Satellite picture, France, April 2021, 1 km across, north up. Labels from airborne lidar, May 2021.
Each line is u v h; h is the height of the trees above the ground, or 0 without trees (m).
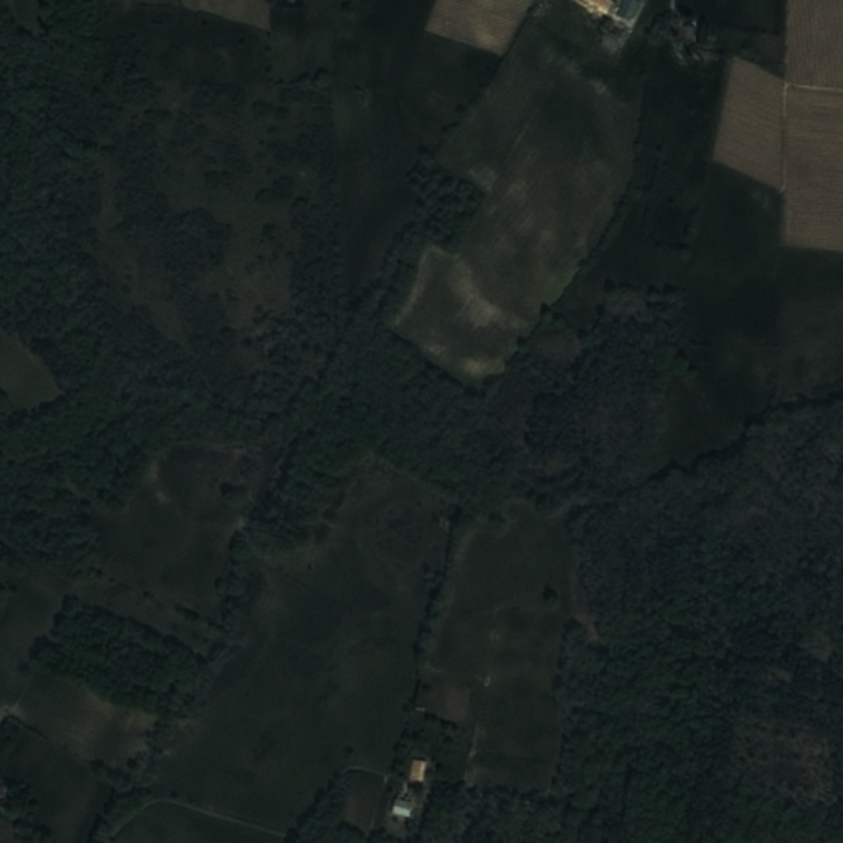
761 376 0
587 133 0
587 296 0
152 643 24
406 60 0
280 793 0
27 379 0
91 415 20
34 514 20
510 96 0
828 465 18
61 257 19
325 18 0
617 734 27
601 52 0
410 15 0
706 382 0
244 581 11
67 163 16
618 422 11
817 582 22
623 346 23
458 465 20
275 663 0
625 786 11
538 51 0
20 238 25
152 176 6
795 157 0
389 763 0
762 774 9
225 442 16
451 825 14
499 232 0
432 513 0
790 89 0
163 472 0
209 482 0
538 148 0
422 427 20
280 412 7
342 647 0
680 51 0
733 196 0
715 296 0
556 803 10
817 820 18
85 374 24
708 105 0
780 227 0
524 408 10
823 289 0
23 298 19
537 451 20
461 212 10
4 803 8
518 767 0
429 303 0
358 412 25
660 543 18
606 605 25
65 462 24
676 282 0
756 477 17
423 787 10
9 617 0
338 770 0
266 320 11
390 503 0
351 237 0
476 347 0
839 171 0
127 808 20
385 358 19
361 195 0
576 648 21
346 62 0
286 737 0
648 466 16
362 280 0
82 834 0
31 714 0
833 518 17
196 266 7
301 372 10
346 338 18
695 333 0
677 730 24
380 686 0
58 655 18
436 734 0
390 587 0
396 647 0
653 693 16
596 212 0
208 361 8
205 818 0
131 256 0
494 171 0
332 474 19
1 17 18
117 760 0
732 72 0
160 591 0
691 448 0
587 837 22
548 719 0
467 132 0
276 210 0
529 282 0
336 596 0
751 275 0
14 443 24
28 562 14
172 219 7
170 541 0
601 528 17
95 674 19
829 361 0
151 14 0
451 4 0
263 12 0
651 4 0
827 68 0
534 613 0
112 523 0
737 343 0
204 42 0
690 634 21
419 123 0
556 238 0
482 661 0
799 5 0
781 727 6
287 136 0
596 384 24
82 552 21
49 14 16
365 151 0
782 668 17
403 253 15
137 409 25
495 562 0
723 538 9
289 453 7
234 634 16
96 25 6
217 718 0
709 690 20
